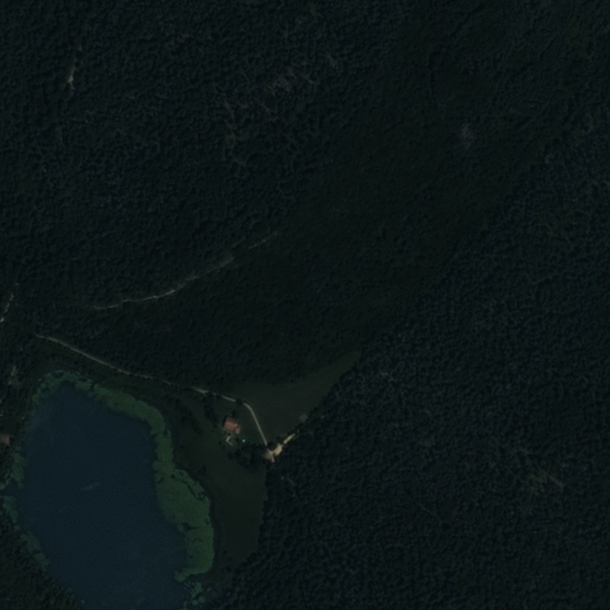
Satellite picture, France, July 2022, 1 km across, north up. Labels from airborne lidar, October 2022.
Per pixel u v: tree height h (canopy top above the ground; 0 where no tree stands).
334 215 11
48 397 0
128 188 22
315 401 0
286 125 22
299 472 26
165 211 19
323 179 24
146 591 0
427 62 24
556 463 31
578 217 17
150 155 20
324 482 24
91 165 10
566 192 22
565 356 18
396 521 15
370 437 28
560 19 20
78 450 0
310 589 22
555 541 20
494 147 15
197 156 21
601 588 23
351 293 20
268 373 12
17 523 0
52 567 0
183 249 17
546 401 20
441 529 26
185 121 26
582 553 25
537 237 18
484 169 16
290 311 22
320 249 24
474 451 26
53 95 25
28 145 14
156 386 8
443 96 27
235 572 8
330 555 31
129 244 23
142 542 0
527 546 28
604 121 11
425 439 28
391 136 28
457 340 19
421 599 29
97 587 0
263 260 22
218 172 25
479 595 30
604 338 26
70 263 16
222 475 0
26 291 25
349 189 13
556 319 23
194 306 17
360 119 23
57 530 0
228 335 17
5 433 15
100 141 15
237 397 0
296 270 28
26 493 0
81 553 0
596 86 21
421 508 27
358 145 22
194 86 21
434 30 28
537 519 28
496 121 17
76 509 0
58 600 33
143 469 0
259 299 22
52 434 0
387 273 26
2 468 14
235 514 0
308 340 14
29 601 15
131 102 12
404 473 30
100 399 0
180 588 0
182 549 0
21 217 24
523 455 17
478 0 24
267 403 0
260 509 0
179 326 20
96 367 7
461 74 29
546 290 26
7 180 12
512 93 20
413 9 14
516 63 9
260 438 0
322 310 25
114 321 12
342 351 10
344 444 22
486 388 13
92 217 9
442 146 27
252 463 12
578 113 14
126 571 0
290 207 16
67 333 11
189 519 0
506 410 25
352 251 21
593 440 19
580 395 21
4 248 9
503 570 27
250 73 27
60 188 16
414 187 27
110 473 0
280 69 21
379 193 26
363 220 24
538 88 20
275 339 28
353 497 21
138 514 0
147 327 9
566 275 24
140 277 17
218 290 22
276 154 13
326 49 20
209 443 0
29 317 23
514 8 30
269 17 9
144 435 0
